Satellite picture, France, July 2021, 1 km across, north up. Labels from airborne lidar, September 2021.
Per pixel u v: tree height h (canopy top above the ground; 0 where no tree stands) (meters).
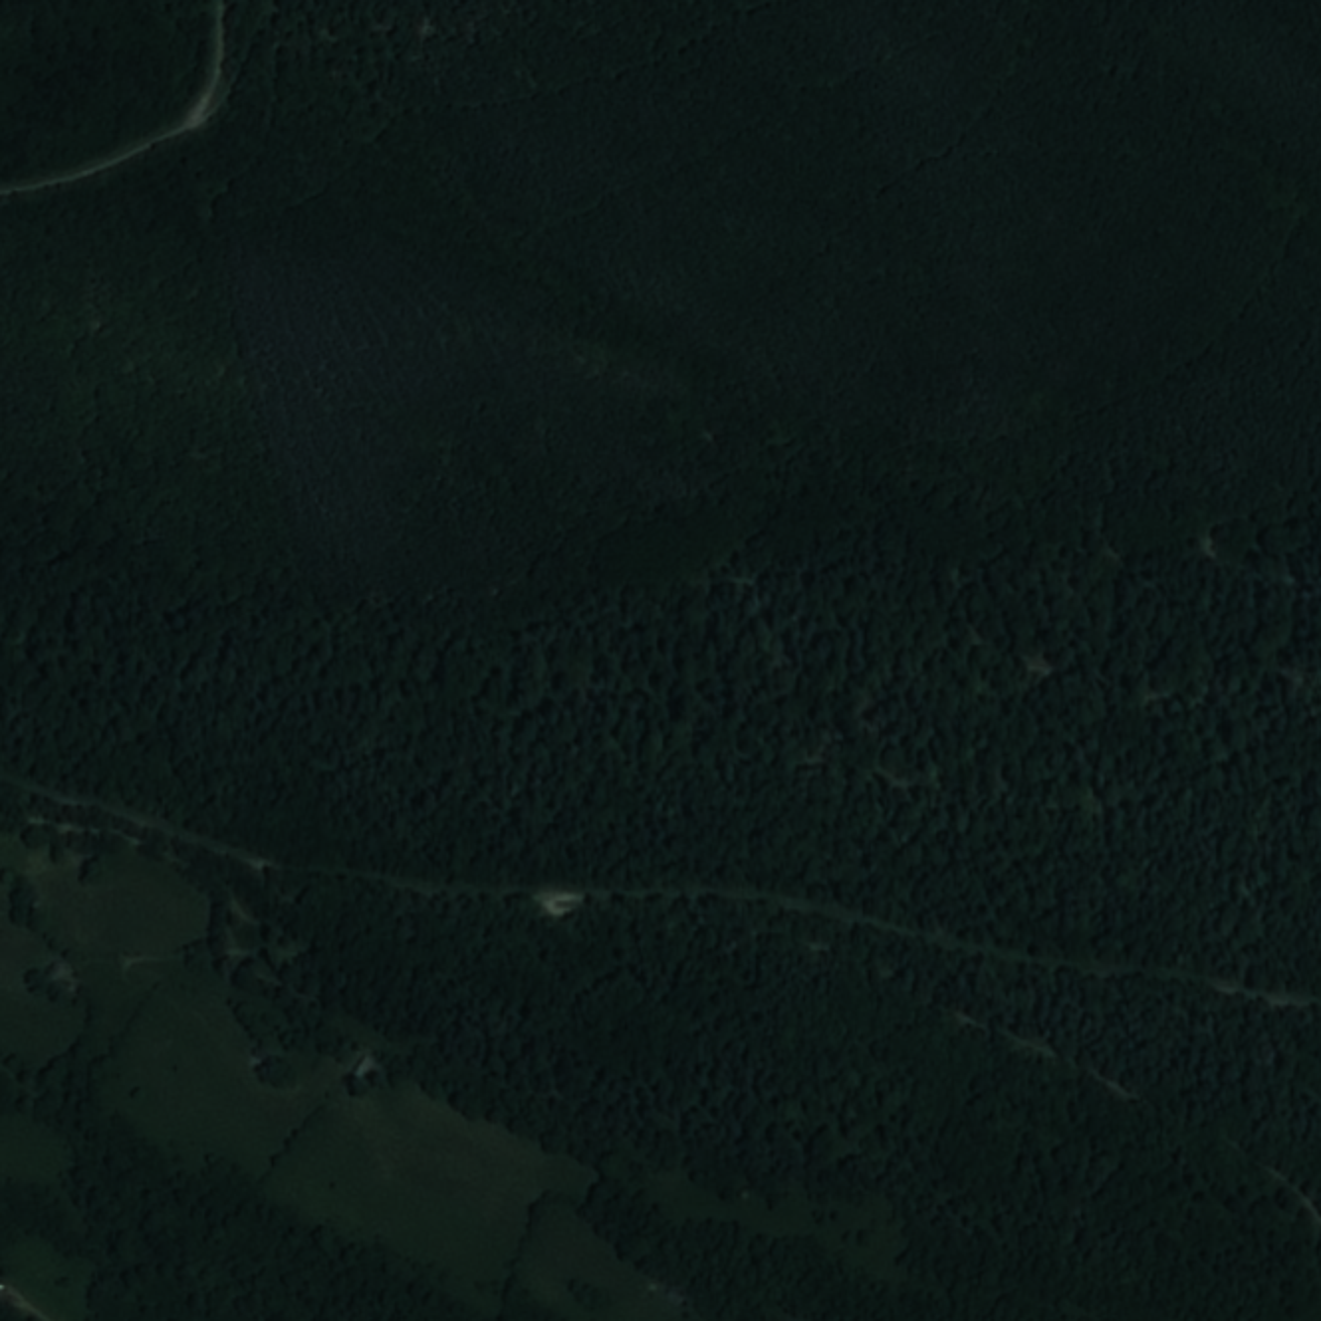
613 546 20
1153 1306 11
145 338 9
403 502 15
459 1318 7
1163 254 17
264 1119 0
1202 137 19
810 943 7
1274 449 26
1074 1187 25
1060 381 17
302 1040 12
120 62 12
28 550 24
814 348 15
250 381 10
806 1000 21
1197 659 26
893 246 18
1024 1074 19
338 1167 0
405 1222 0
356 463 16
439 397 12
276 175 17
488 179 17
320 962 19
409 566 16
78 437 14
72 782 25
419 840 20
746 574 20
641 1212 10
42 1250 0
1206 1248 8
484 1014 21
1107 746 18
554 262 21
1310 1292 7
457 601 17
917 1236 7
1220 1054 18
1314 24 21
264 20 7
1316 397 19
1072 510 24
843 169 20
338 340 12
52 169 7
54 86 14
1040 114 17
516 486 16
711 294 16
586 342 12
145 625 27
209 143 8
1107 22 20
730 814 24
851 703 20
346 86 16
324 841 24
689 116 17
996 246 16
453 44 17
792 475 16
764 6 11
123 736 25
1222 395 24
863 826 26
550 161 19
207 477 16
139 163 9
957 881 22
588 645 24
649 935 15
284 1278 13
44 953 0
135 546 20
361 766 23
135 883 0
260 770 15
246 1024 13
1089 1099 18
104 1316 7
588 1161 14
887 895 17
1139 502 25
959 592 27
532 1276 0
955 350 19
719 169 17
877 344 18
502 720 12
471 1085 8
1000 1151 18
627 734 31
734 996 22
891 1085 16
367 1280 7
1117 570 10
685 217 18
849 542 26
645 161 16
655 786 20
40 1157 0
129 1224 11
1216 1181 17
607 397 12
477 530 17
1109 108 21
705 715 23
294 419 12
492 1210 0
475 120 18
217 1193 9
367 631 23
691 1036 20
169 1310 8
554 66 16
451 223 18
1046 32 22
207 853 16
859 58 14
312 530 14
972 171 16
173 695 21
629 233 17
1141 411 18
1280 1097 19
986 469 8
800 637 22
